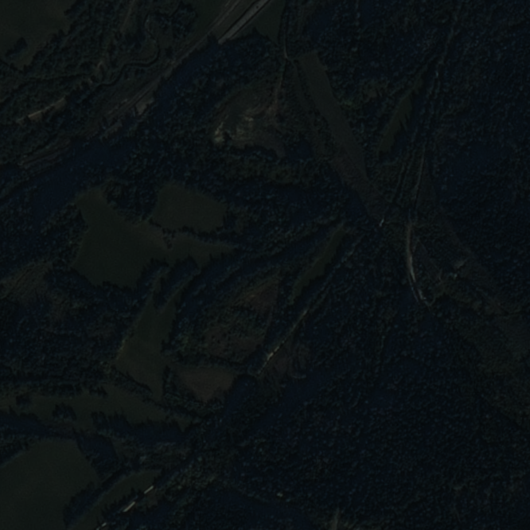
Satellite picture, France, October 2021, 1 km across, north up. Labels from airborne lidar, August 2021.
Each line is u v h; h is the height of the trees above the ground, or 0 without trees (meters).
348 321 12
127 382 7
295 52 7
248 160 9
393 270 20
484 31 15
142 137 19
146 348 0
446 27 8
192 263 0
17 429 13
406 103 0
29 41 0
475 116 11
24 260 16
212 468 6
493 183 28
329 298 12
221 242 8
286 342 10
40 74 13
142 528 21
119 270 0
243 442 24
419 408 29
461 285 11
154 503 0
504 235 23
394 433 19
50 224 10
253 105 0
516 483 6
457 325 7
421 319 13
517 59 20
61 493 0
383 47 9
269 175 9
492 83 8
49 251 10
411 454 16
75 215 17
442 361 22
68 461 0
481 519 7
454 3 7
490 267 23
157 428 0
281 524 11
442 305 10
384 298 6
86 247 0
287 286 9
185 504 12
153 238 0
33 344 7
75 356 18
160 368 0
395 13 23
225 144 13
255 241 17
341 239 0
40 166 8
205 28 0
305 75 6
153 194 23
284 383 13
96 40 11
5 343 9
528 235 27
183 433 0
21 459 0
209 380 0
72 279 20
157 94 0
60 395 21
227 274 15
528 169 20
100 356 21
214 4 0
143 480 0
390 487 21
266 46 6
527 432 9
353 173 10
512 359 6
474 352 14
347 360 8
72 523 18
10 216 8
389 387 19
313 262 15
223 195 14
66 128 21
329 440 14
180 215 0
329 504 19
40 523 0
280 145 0
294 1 14
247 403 31
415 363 19
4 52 0
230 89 16
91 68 12
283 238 11
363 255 15
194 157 26
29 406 21
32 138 22
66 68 6
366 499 19
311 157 20
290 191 9
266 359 14
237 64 20
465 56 12
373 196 9
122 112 0
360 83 16
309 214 6
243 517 8
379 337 9
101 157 9
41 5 0
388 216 7
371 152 13
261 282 12
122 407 0
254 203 6
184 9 12
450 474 14
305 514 10
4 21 0
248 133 0
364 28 26
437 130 14
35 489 0
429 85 17
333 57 22
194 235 10
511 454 10
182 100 7
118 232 0
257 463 24
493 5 16
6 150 16
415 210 12
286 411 10
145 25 17
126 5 10
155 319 0
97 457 17
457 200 26
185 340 15
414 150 14
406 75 20
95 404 0
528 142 24
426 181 0
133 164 11
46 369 22
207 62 12
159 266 9
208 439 18
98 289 0
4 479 0
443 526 10
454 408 20
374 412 25
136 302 14
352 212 24
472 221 27
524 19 20
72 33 11
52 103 13
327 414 15
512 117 18
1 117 19
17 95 12
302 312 18
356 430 20
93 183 11
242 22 0
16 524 0
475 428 29
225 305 8
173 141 18
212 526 9
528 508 15
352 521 16
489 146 16
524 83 18
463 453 25
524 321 13
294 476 16
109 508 0
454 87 15
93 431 0
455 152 12
